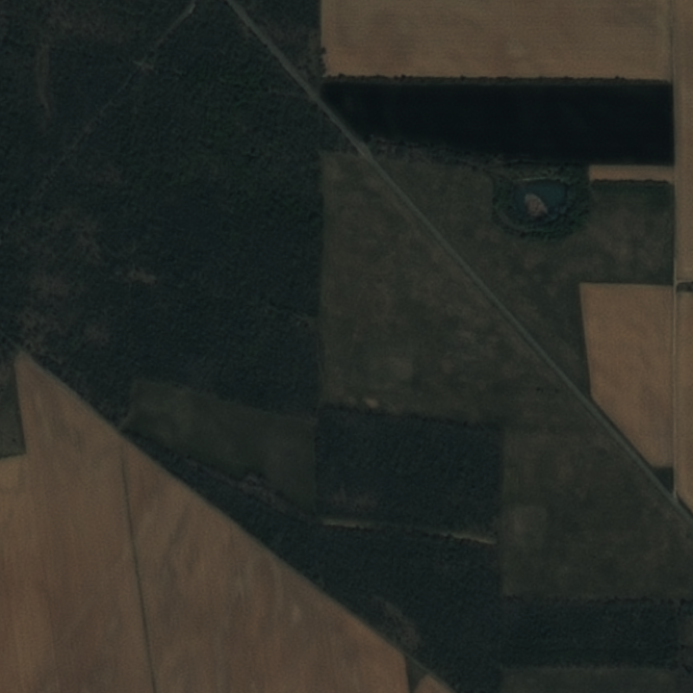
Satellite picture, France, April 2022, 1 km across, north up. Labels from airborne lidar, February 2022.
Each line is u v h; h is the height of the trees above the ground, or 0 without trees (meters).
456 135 0
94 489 0
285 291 12
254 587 0
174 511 0
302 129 12
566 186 0
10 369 0
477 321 0
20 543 0
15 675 0
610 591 0
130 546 0
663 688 0
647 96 0
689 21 0
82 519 0
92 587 0
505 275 0
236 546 0
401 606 10
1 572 0
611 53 0
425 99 0
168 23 12
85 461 0
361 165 0
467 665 12
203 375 15
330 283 0
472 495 9
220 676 0
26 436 0
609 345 0
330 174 0
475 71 0
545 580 0
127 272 10
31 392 0
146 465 0
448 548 8
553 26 0
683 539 0
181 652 0
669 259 0
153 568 0
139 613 0
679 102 0
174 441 0
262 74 10
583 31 0
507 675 0
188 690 0
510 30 0
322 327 0
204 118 11
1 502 0
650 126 0
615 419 0
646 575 0
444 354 0
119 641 0
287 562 9
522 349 0
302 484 0
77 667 0
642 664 8
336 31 0
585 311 0
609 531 0
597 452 0
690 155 0
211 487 16
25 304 9
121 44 13
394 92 0
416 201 0
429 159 6
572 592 0
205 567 0
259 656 0
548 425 0
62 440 0
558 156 0
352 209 0
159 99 11
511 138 0
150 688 0
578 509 0
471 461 9
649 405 0
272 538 8
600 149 0
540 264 0
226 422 0
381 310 0
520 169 6
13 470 0
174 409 0
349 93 0
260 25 13
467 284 0
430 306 0
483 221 0
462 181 0
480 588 9
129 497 0
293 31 8
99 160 13
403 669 0
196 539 0
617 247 0
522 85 0
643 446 0
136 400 0
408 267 0
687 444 0
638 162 0
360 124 0
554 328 0
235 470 0
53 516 0
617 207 0
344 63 0
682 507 0
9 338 11
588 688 0
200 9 12
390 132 0
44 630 0
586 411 0
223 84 10
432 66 0
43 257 10
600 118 0
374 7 0
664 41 0
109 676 0
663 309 0
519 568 0
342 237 0
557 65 0
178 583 0
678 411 0
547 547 0
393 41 0
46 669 0
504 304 0
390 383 0
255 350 12
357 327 0
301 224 11
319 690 0
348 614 0
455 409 0
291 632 0
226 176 13
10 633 0
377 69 0
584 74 0
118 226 11
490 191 0
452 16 0
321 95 0
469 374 0
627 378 0
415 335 0
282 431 0
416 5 0
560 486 0
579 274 0
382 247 0
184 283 11
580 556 0
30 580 0
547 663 7
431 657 10
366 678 0
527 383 0
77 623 0
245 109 12
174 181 12
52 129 11
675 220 0
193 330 13
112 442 0
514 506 0
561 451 0
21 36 15
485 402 0
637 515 0
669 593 0
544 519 0
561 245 0
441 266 0
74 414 0
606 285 0
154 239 14
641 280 0
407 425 10
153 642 0
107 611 0
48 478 0
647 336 0
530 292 0
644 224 0
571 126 0
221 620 0
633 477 0
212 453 0
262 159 13
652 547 0
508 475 0
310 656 0
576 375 0
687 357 0
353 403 0
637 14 0
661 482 0
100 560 0
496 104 0
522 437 0
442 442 10
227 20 12
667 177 0
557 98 0
